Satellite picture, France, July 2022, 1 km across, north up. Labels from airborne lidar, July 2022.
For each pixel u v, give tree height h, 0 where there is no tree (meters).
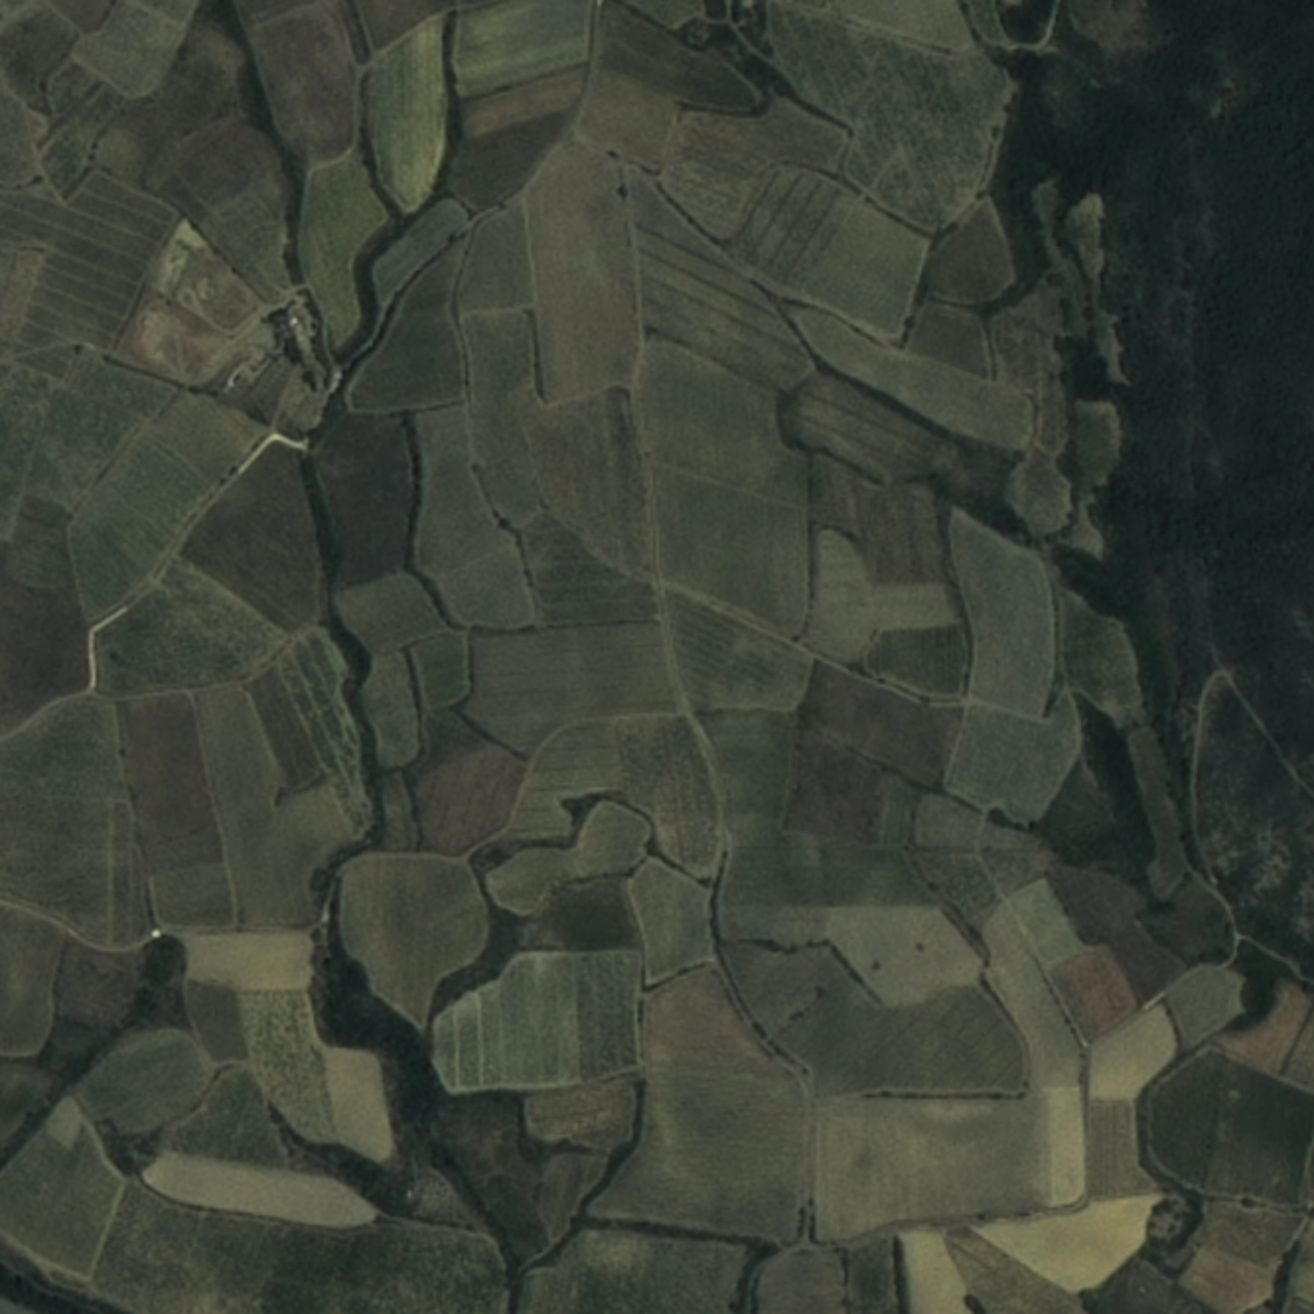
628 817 0
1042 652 0
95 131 0
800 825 0
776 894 0
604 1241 0
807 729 0
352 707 6
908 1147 0
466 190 0
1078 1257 0
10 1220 0
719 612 0
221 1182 0
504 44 0
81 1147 0
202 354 0
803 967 0
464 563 0
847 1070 0
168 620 0
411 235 0
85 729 0
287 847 0
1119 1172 0
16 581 0
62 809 0
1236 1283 0
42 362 0
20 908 0
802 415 0
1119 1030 0
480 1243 0
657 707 0
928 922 0
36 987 0
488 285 0
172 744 0
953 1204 0
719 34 0
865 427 0
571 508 0
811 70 0
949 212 0
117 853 0
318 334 6
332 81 0
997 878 0
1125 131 9
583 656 0
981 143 0
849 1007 0
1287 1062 0
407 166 0
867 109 0
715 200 0
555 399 0
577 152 0
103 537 0
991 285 0
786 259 0
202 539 0
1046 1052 0
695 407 0
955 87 0
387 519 0
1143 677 5
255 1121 0
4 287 0
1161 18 6
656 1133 0
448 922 0
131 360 0
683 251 0
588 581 0
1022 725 0
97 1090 0
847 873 0
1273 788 0
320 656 0
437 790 0
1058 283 10
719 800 0
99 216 0
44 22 0
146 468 0
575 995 0
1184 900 0
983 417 0
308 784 0
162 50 0
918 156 0
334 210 0
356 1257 0
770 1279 0
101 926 0
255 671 0
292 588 0
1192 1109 0
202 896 0
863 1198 0
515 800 0
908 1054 0
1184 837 9
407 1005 0
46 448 0
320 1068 0
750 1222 0
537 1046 0
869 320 0
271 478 0
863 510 0
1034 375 0
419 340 0
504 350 0
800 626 0
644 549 0
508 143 0
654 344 0
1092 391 6
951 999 0
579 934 0
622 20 0
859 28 0
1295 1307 0
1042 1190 0
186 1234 0
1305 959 7
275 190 0
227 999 0
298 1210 0
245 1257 0
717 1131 0
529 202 0
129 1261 0
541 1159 0
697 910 0
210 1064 0
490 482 0
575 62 0
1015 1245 0
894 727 0
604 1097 0
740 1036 0
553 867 0
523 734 0
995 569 0
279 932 0
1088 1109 0
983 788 0
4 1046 0
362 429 0
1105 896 0
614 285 0
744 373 0
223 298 0
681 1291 0
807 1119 0
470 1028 0
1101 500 8
